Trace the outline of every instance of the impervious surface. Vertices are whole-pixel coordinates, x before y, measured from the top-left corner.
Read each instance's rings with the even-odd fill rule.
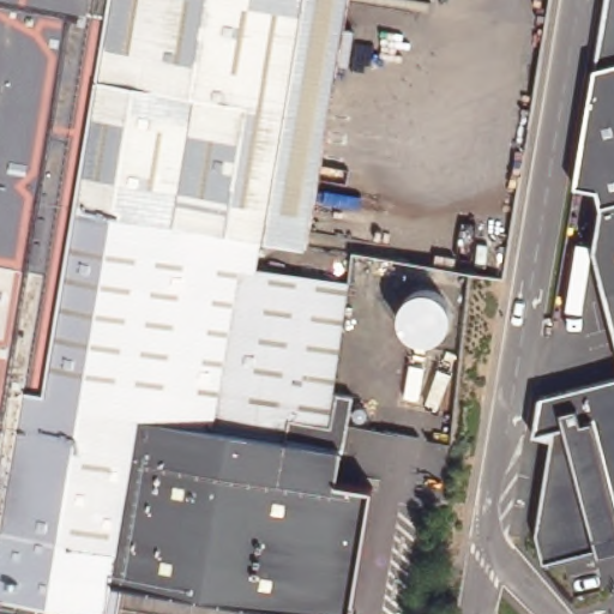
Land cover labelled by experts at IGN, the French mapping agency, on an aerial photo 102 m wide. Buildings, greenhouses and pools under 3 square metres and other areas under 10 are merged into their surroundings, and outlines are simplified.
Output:
[[[595,204],[592,199],[571,194],[573,161],[585,106],[588,77],[592,72],[602,0],[348,0],[343,26],[345,31],[350,31],[353,48],[350,62],[336,70],[331,79],[326,125],[321,134],[324,161],[319,168],[321,177],[317,189],[317,204],[312,211],[309,245],[300,254],[271,252],[257,261],[257,269],[266,273],[300,276],[348,285],[345,307],[353,309],[355,329],[343,333],[338,345],[336,386],[331,398],[331,405],[336,405],[336,410],[329,425],[312,429],[317,437],[338,444],[331,461],[331,470],[338,472],[338,480],[329,484],[331,501],[357,501],[341,597],[341,614],[396,614],[398,573],[401,566],[408,561],[408,549],[415,540],[415,530],[420,532],[429,525],[434,513],[441,508],[434,499],[434,492],[441,492],[444,482],[451,482],[453,472],[463,470],[465,465],[470,468],[468,494],[465,501],[458,501],[453,508],[463,528],[453,530],[449,542],[453,561],[451,590],[458,595],[461,614],[614,614],[614,554],[600,556],[597,552],[590,552],[547,564],[544,554],[535,549],[532,535],[547,446],[530,441],[530,427],[535,403],[540,398],[614,379],[614,345],[607,329],[595,276],[588,276],[585,247],[592,240]],[[396,333],[396,314],[403,307],[403,302],[413,297],[434,300],[453,319],[446,338],[434,350],[410,350],[401,343]],[[475,456],[470,456],[463,463],[461,458],[449,456],[453,453],[458,410],[465,401],[480,401],[480,432],[475,441]]]
[[[108,590],[101,614],[211,614],[213,604],[177,604]]]

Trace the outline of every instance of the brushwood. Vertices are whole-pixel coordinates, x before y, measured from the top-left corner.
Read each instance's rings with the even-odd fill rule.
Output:
[[[415,530],[415,540],[408,549],[408,561],[401,566],[398,573],[396,614],[461,614],[458,595],[451,590],[453,561],[449,542],[453,530],[463,528],[453,508],[458,501],[465,501],[468,494],[470,468],[465,465],[463,470],[453,472],[451,482],[444,482],[441,492],[434,492],[434,499],[441,508],[434,513],[429,525],[420,532]]]

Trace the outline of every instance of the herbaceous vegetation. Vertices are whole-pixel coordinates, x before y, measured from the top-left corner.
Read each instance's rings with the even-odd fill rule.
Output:
[[[463,463],[470,456],[475,456],[475,441],[480,432],[480,401],[465,401],[458,410],[453,453],[449,456],[461,458]]]

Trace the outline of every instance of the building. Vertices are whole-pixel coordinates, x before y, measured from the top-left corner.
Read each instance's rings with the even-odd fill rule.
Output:
[[[530,441],[547,446],[532,535],[535,549],[544,554],[547,564],[590,552],[597,552],[600,556],[614,554],[614,379],[540,398],[535,403],[530,427]]]
[[[317,204],[317,189],[321,177],[319,168],[324,161],[321,134],[326,125],[331,79],[336,70],[350,62],[353,48],[350,31],[345,31],[343,26],[348,0],[0,0],[0,614],[101,614],[108,590],[177,604],[213,604],[211,614],[341,614],[341,597],[357,501],[331,501],[329,484],[338,480],[338,472],[331,470],[331,461],[338,444],[317,437],[312,429],[329,425],[336,410],[336,405],[331,405],[331,398],[336,386],[338,345],[343,333],[355,329],[353,309],[345,307],[348,285],[300,276],[266,273],[257,269],[257,261],[271,252],[300,254],[309,245],[312,211]]]
[[[602,0],[592,72],[588,77],[585,106],[573,161],[571,194],[592,199],[595,204],[592,240],[585,247],[588,276],[595,276],[607,329],[614,345],[614,0]]]
[[[403,307],[396,314],[396,333],[401,343],[410,350],[434,350],[446,338],[453,319],[434,300],[413,297],[403,302]]]

